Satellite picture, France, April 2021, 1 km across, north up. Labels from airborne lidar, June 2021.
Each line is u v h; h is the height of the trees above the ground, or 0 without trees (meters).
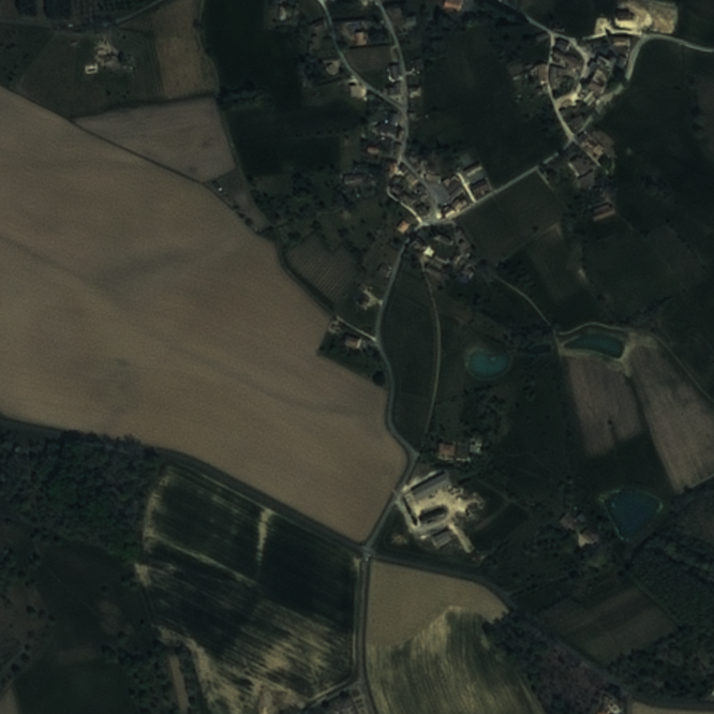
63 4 16
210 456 0
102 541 16
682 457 0
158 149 0
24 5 15
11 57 0
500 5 15
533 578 6
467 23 11
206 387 0
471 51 0
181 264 0
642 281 0
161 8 0
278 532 0
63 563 0
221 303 0
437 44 8
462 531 0
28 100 0
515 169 0
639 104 0
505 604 0
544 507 5
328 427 0
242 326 0
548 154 0
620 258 0
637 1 0
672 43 0
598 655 0
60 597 0
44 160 0
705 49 0
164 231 0
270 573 0
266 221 0
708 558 12
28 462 14
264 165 0
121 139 0
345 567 0
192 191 0
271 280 0
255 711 0
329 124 0
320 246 0
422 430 0
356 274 0
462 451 0
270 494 0
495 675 0
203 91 0
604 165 13
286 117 0
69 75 0
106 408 0
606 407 0
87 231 0
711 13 0
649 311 9
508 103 0
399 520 0
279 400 0
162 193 0
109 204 0
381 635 0
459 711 0
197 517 0
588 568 16
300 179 11
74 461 23
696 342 0
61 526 20
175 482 0
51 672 0
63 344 0
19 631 0
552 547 7
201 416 0
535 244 0
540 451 0
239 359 0
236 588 0
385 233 6
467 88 0
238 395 0
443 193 0
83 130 0
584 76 0
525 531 0
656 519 0
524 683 0
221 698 0
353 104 0
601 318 0
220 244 0
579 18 0
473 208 0
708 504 14
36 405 0
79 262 0
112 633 0
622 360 0
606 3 0
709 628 17
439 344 0
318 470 0
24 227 0
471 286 0
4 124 0
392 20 0
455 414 0
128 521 18
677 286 0
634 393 0
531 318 6
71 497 27
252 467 0
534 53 0
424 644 0
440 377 0
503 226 0
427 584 0
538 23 0
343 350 11
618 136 0
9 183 0
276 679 0
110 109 11
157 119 0
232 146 0
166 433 0
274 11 10
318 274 0
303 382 0
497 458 0
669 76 0
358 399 0
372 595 0
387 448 0
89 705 0
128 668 15
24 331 0
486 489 0
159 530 0
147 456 12
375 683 0
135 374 0
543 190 0
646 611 6
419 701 0
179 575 0
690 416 0
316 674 0
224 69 0
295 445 0
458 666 0
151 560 0
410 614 0
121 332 0
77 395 0
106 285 0
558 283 0
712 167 0
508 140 0
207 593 0
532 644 15
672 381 0
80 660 0
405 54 0
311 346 0
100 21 15
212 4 0
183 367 0
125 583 10
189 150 0
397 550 0
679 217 0
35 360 0
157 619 0
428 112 0
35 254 0
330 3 0
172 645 0
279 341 0
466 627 0
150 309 0
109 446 19
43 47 0
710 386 0
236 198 0
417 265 15
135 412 0
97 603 0
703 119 16
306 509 0
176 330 0
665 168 0
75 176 0
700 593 16
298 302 0
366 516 0
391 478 0
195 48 0
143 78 0
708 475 0
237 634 0
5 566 11
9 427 0
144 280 0
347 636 0
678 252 0
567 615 9
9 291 0
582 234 10
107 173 0
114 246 0
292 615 0
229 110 12
